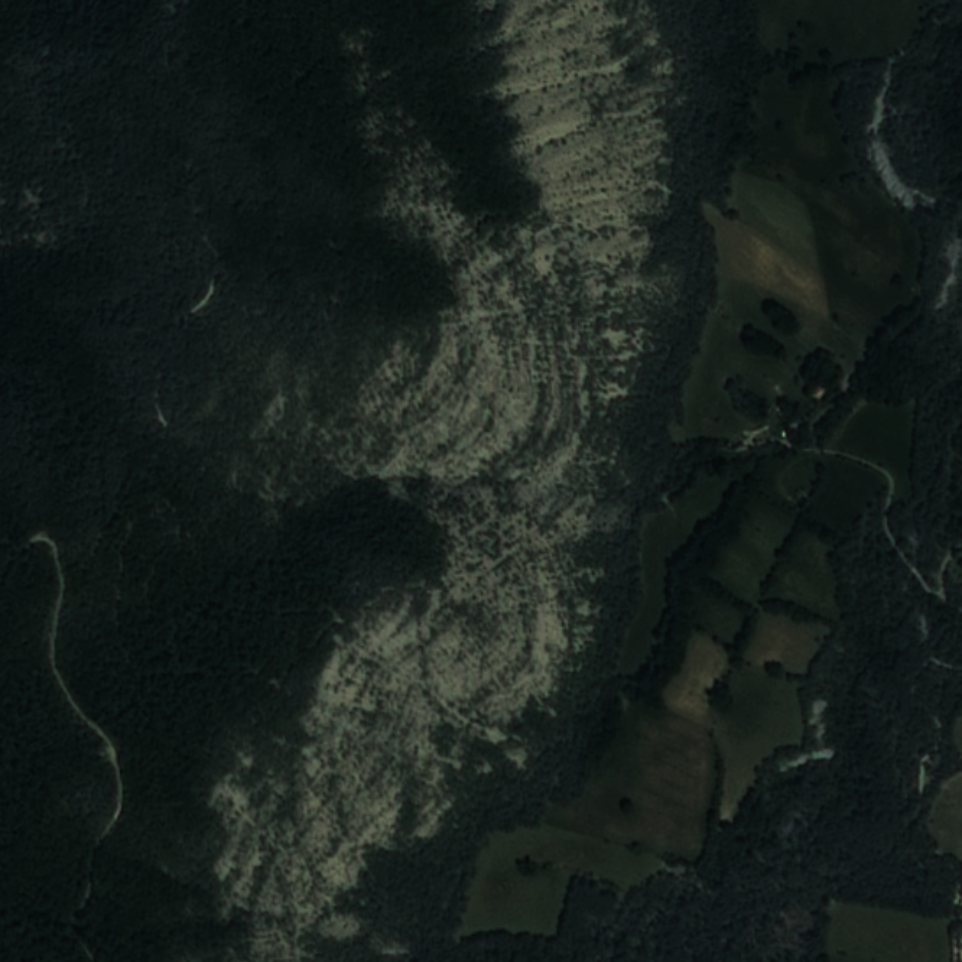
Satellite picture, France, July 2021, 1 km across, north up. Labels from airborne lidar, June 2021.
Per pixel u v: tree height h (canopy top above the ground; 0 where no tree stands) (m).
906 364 20
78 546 8
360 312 9
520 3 0
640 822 0
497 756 6
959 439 16
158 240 11
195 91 10
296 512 11
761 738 0
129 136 10
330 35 9
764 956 20
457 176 9
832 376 11
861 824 14
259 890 6
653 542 0
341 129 15
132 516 12
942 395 13
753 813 18
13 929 18
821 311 0
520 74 0
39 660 9
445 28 14
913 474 12
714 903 12
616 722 17
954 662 9
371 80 8
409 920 7
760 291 0
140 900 13
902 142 9
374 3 15
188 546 7
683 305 7
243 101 13
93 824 9
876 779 10
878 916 0
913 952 0
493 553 6
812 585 0
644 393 10
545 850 0
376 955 6
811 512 15
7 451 16
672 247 10
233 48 21
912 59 10
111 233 13
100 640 12
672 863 13
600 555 8
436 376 0
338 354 6
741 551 0
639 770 0
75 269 15
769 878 14
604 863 0
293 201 12
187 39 12
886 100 7
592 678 6
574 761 12
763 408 11
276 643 11
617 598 10
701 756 0
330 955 6
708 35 12
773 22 0
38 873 11
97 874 12
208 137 14
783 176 8
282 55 21
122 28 16
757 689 0
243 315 6
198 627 25
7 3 16
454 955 17
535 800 6
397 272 13
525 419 0
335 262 16
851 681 9
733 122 18
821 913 17
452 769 6
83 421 27
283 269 16
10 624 10
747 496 17
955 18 15
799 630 0
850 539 12
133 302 8
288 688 7
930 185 11
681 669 13
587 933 14
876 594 15
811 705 8
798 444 14
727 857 17
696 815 0
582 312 6
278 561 17
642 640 0
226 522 6
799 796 15
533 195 12
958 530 13
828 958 18
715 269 10
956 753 12
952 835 0
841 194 0
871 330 0
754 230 0
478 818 9
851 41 0
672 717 0
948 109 14
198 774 12
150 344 12
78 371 18
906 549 13
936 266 9
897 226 0
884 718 11
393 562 12
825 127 0
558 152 0
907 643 11
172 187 10
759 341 22
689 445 13
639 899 14
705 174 12
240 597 17
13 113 10
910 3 0
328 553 12
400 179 7
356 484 8
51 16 16
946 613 10
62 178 10
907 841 13
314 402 6
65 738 12
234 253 14
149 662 17
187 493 6
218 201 13
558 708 7
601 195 0
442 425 0
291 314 8
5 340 20
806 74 17
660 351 11
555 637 0
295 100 20
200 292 7
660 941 14
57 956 19
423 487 8
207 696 11
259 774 6
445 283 7
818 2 0
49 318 18
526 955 20
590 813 0
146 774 11
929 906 17
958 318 11
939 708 11
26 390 26
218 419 6
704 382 0
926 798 9
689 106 8
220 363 10
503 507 6
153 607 13
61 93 11
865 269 0
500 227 8
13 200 8
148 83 13
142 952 17
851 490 0
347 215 12
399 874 9
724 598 8
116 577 8
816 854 16
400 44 15
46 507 13
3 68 11
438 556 7
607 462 7
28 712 20
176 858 9
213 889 10
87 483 16
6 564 12
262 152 13
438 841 7
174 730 13
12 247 9
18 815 14
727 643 7
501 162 12
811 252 0
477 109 14
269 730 9
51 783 10
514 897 0
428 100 16
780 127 10
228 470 8
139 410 9
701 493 0
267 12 13
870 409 0
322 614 7
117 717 12
